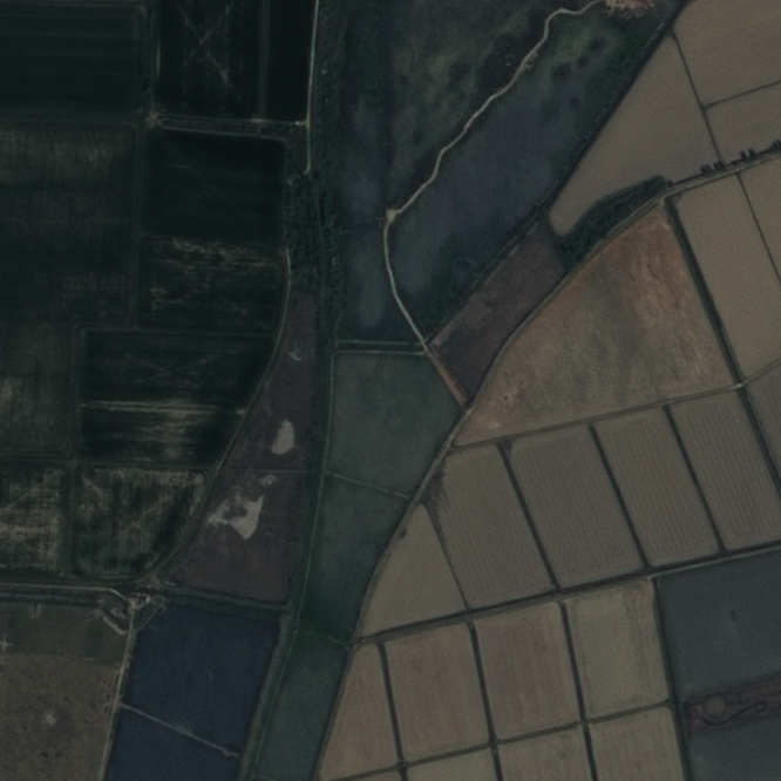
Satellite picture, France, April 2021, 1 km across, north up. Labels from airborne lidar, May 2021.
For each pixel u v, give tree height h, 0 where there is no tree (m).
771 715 0
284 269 0
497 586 0
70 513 0
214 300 0
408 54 0
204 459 0
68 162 0
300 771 0
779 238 0
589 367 0
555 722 0
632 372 0
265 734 0
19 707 0
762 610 0
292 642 0
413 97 0
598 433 0
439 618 0
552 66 0
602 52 0
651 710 0
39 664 0
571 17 0
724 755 0
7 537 0
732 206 0
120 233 0
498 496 0
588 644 0
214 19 0
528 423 0
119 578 0
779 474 0
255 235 0
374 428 0
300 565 0
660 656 0
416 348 0
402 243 0
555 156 0
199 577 0
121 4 0
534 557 0
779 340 0
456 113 0
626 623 0
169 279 0
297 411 0
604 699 0
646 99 0
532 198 0
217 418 0
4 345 0
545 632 0
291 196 10
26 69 0
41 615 0
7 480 0
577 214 0
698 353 0
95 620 0
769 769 0
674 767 0
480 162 0
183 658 0
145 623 0
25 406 0
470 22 0
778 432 0
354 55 0
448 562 0
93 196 0
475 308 0
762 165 0
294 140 7
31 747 0
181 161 0
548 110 0
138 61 0
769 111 0
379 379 0
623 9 0
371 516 0
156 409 0
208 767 0
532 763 0
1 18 0
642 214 0
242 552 0
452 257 0
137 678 0
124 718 0
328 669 0
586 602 0
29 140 0
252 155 0
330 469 0
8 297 0
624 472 0
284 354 0
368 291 0
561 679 0
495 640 0
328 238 7
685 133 0
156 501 0
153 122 0
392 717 0
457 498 0
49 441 0
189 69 0
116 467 0
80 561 0
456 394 0
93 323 0
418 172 0
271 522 0
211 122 6
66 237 0
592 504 0
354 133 0
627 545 0
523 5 0
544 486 0
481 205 0
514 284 0
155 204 0
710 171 12
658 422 0
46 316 0
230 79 0
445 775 0
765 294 0
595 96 0
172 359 0
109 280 0
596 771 0
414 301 0
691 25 0
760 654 0
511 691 0
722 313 0
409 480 0
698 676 0
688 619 0
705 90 0
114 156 0
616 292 0
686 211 0
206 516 0
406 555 0
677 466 0
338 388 0
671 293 0
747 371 0
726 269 0
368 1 0
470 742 0
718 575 0
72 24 0
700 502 0
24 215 0
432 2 0
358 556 0
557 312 0
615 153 0
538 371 0
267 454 0
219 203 0
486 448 0
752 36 0
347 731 0
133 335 0
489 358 0
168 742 0
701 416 0
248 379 0
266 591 0
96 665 0
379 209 0
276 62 0
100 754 0
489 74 0
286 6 0
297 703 0
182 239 0
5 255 0
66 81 0
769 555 0
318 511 0
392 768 0
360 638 0
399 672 0
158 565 0
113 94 0
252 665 0
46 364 0
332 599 0
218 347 0
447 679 0
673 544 0
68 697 0
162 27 0
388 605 0
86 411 0
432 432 0
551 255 0
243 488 0
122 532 0
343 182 0
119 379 0
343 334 0
